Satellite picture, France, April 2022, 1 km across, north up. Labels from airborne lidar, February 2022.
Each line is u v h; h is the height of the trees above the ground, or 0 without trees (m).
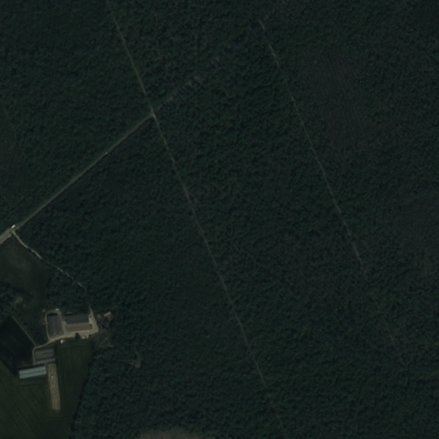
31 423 0
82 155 14
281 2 0
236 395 9
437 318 19
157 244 12
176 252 13
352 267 21
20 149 12
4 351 0
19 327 0
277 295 16
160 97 22
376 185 17
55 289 15
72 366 0
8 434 0
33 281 0
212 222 14
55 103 19
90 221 16
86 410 11
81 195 16
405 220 11
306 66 13
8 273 0
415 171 17
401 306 17
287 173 11
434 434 12
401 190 14
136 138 6
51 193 7
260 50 19
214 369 12
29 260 0
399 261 14
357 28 20
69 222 17
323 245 16
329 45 10
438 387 18
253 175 21
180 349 18
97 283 14
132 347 13
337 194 17
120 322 13
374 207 19
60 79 22
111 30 20
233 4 23
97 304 14
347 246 16
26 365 0
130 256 12
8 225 22
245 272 18
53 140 17
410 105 15
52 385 0
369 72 17
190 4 21
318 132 14
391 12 20
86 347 0
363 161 13
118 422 16
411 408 19
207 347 17
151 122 6
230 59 19
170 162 12
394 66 17
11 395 0
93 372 9
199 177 19
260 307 15
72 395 0
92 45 19
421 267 18
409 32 17
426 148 15
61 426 0
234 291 15
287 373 19
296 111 17
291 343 18
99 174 10
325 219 19
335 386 15
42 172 20
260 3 19
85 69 23
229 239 8
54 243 10
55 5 13
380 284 17
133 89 16
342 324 22
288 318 18
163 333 16
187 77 18
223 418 18
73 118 19
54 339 0
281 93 18
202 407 13
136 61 17
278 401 19
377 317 18
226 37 22
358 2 21
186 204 18
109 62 20
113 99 20
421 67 19
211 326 12
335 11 19
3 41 16
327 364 18
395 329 17
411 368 18
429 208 10
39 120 14
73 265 14
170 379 13
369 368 19
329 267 12
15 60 19
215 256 14
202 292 9
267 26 19
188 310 17
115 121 14
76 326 0
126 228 14
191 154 16
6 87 19
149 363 10
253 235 17
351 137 11
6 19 11
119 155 6
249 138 19
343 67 12
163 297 9
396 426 20
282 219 18
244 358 9
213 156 17
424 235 14
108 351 8
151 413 9
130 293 18
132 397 18
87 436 11
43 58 22
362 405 16
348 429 16
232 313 12
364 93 15
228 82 24
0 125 12
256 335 18
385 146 16
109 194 16
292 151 13
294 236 18
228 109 16
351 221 16
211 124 10
